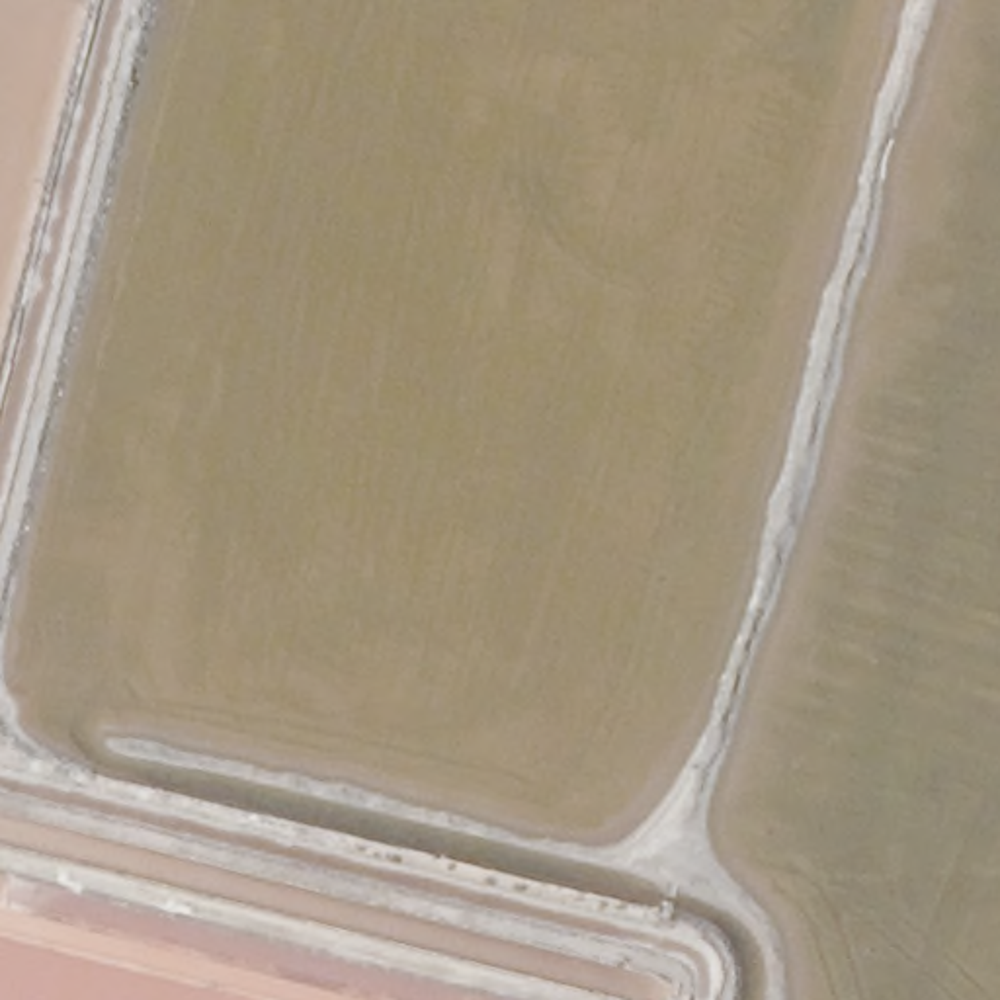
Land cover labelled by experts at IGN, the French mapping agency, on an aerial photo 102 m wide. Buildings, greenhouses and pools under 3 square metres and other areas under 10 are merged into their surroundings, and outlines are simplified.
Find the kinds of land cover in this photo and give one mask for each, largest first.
<instances>
[{"label":"water","instance_id":"1","mask_svg":"<svg viewBox=\"0 0 1000 1000\"><path fill-rule=\"evenodd\" d=\"M78 0H0V297L20 238V219L27 211L31 172L39 160L43 125ZM906 0H148L141 8L145 31L133 55L105 191L90 230L82 285L66 324L63 359L51 387L47 422L39 434L35 473L0 590V629L8 633L4 684L20 703L23 727L47 746L51 758H70L90 773L113 781L215 801L242 813L281 816L293 824H313L375 844L414 848L426 855L535 883H555L617 898L629 906L672 910L676 922L707 926L723 938L738 977L734 1000H762V953L754 938L742 930V922H734L727 910L676 891H660L656 883H645L625 871L570 863L566 855L574 844L613 848L629 840L660 809L707 727L719 672L727 664L730 641L738 633L754 586L766 504L781 477L793 406L809 359V336L816 324L820 293L840 258L844 223L855 203L859 164L867 148L871 109L898 43V20ZM895 145L883 180L875 254L852 309L844 375L828 414L816 480L805 516L793 523V551L781 574V594L770 613L758 656L750 660V684L738 703V727L730 734V746L723 750V766L707 805V844L715 859L738 883V891L762 906V914L773 926L785 1000H1000V0H934L922 47L910 66V86L898 121L887 129ZM168 836L242 848L301 867L441 898L453 906L559 926L570 934L617 941L625 930L172 816L164 828ZM211 898L426 953H445L457 961L520 977L570 984L613 1000H664V988L641 969L605 965L563 949L461 930L438 918H418L391 906H371L328 891L230 871ZM148 980L129 969L98 965L86 980H78L43 965L27 945L0 938V1000H145L137 992Z\"/></svg>","mask_w":1000,"mask_h":1000},{"label":"pervious surface","instance_id":"2","mask_svg":"<svg viewBox=\"0 0 1000 1000\"><path fill-rule=\"evenodd\" d=\"M148 0H78L43 125L39 160L31 172L27 211L20 219V238L0 297V590L35 473L39 434L47 422L51 387L63 359L66 324L82 285L90 230L105 191L133 55L145 31L141 8ZM934 0H906L898 20V43L871 109L867 148L859 164L855 203L844 223L840 258L820 293L816 324L809 336V359L793 406L781 477L766 504L754 586L738 633L730 641L727 664L719 672L707 727L660 809L629 840L613 848L574 844L566 855L570 863L625 871L645 883H656L660 891H676L727 910L734 922H742V930L754 938L762 953V1000H785L773 926L762 914V906L738 891V883L715 859L707 844V805L723 766V750L730 746V734L738 727V703L750 684V660L758 656L770 613L781 594V574L793 551V523L805 516L816 480L828 414L844 375L852 309L875 254L883 180L895 145L887 129L898 121L910 86V66L922 47ZM8 633L0 629V938L27 945L43 965L78 980H86L98 965L129 969L148 980L137 992L145 1000H613L570 984L520 977L457 961L445 953H426L211 898L230 871L328 891L371 906H391L418 918H438L461 930L563 949L605 965L641 969L664 988V1000H734L738 977L723 938L707 926L676 922L672 910L629 906L617 898L555 883H535L426 855L414 848L375 844L313 824H293L281 816L242 813L215 801L113 781L90 773L70 758H51L47 746L23 727L20 703L4 684ZM172 816L625 930L617 941L570 934L559 926L453 906L441 898L301 867L242 848L168 836L164 828Z\"/></svg>","mask_w":1000,"mask_h":1000}]
</instances>
